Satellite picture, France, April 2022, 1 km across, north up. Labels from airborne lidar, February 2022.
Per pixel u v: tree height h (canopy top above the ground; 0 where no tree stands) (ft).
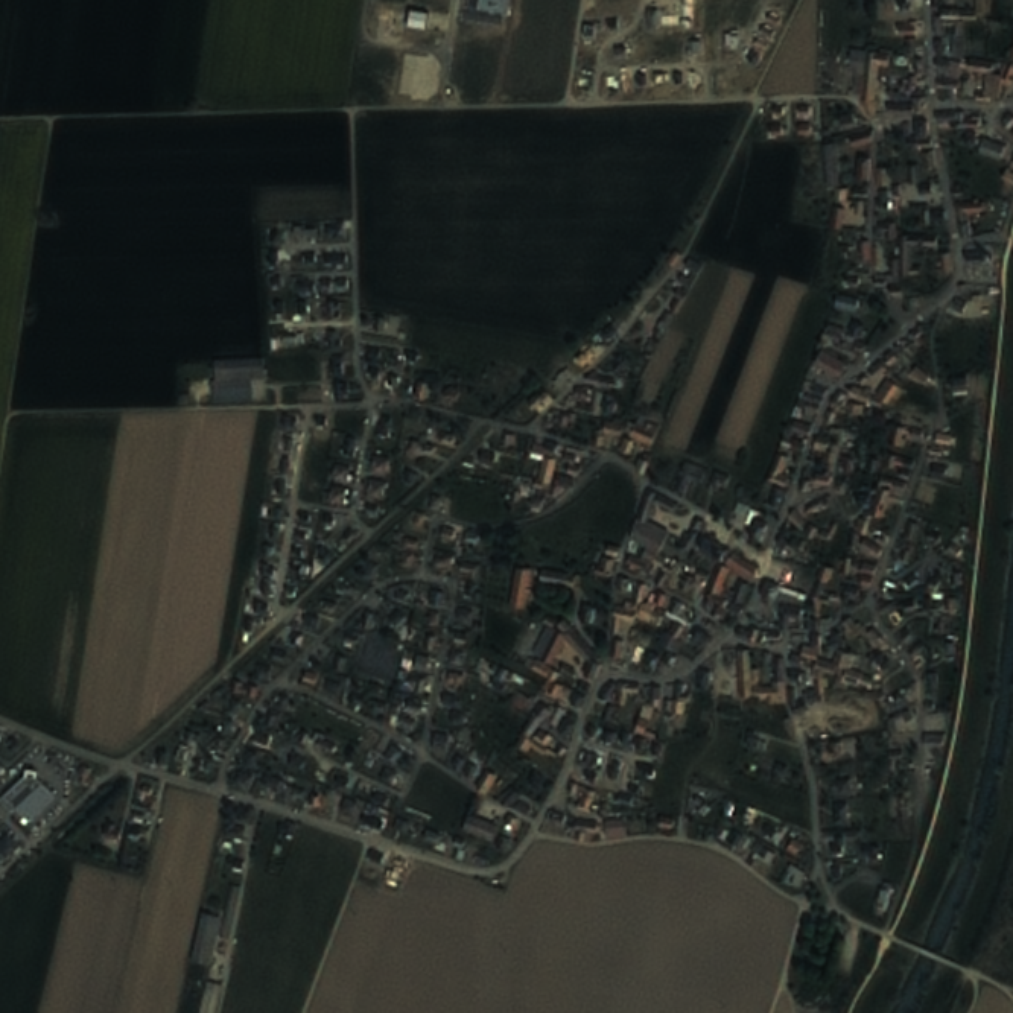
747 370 0
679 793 0
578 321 0
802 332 0
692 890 0
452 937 0
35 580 0
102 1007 0
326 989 0
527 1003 0
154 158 0
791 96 0
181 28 0
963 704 0
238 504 0
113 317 0
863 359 0
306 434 0
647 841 0
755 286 0
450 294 0
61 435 0
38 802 0
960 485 0
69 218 0
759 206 0
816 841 0
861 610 0
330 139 0
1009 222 0
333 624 0
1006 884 34
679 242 0
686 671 0
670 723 0
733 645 0
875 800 0
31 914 0
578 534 0
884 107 0
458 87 0
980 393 0
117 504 0
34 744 0
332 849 0
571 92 0
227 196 0
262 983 0
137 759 0
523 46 0
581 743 0
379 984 0
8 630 0
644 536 0
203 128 0
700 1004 0
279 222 0
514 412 0
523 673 0
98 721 0
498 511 0
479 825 0
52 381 0
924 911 0
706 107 0
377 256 0
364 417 0
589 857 0
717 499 0
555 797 0
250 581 0
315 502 0
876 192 0
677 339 0
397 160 0
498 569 35
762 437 0
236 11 0
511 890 0
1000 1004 0
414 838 0
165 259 0
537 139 0
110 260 0
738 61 0
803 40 0
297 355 0
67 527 0
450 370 36
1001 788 0
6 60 0
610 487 0
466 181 0
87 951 0
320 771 0
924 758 0
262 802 0
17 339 0
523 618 0
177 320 0
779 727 0
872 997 0
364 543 0
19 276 0
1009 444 0
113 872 0
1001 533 0
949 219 0
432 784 0
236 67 0
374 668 0
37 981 0
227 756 0
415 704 0
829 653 22
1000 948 0
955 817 0
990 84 0
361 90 0
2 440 0
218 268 0
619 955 0
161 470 0
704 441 0
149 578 0
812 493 0
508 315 0
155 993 0
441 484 31
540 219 0
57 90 0
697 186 0
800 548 0
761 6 0
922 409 0
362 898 0
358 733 0
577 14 0
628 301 31
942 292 0
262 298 0
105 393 0
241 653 0
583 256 0
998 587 0
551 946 0
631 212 0
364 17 0
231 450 0
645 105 0
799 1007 0
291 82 0
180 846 0
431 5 0
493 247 0
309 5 0
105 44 0
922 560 0
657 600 0
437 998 0
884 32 0
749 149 0
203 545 0
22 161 0
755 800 0
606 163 0
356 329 0
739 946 0
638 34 0
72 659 0
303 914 0
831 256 0
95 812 41
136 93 0
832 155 0
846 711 0
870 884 0
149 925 0
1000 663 0
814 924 46
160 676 0
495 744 0
